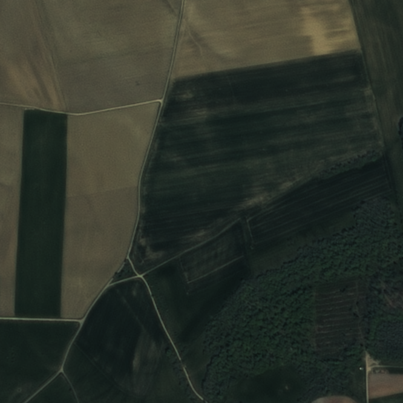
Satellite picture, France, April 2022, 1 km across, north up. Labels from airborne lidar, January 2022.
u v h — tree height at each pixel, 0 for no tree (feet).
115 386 0
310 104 0
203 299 0
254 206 0
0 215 0
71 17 0
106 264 0
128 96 0
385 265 66
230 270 0
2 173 0
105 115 0
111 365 0
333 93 0
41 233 0
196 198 0
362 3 0
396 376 0
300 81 0
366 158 48
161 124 0
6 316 0
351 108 0
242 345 87
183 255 0
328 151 0
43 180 0
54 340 0
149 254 0
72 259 0
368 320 82
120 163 0
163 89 0
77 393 0
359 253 50
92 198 0
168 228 0
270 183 0
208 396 67
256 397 0
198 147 0
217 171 0
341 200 0
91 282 0
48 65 0
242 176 0
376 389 0
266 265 0
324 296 0
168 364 0
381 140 0
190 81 0
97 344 0
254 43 0
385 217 85
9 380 0
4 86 0
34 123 0
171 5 0
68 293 0
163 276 0
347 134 0
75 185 0
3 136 0
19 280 0
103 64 0
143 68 0
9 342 0
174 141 0
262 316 88
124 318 0
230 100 0
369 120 0
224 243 0
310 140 0
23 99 0
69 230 0
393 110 0
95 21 0
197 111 0
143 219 0
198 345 0
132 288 0
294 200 0
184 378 21
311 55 0
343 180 0
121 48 0
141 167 0
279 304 52
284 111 0
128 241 0
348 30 0
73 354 0
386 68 0
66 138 0
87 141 0
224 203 0
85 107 0
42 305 0
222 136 0
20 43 0
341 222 0
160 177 0
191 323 0
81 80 0
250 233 0
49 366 0
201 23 0
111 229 0
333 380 53
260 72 0
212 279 0
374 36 0
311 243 0
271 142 0
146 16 0
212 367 53
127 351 0
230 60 0
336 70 0
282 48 0
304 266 71
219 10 0
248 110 0
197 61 0
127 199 0
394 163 0
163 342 0
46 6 0
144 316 0
